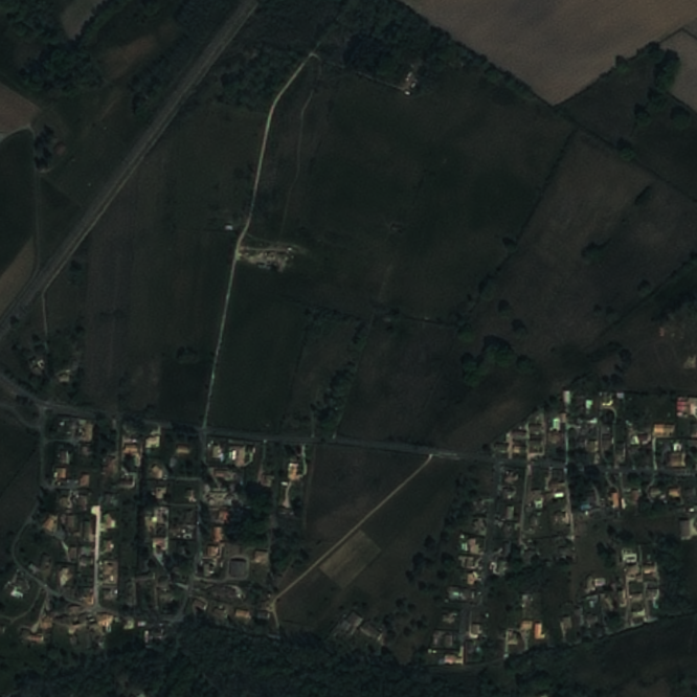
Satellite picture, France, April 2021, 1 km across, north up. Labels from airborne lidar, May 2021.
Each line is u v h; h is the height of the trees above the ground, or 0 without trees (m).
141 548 11
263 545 11
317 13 8
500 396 0
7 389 0
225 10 8
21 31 16
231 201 0
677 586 15
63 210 0
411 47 9
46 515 9
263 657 16
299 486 9
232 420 0
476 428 0
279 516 19
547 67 0
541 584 11
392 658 11
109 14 14
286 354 0
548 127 0
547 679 18
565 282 0
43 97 0
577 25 0
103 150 0
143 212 0
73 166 0
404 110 0
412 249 0
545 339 0
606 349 0
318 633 0
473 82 0
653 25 0
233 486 8
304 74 6
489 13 0
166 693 16
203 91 10
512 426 0
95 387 0
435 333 0
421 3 0
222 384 0
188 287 0
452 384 0
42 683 22
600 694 10
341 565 0
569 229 0
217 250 0
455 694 15
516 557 13
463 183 0
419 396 0
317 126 0
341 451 0
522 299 0
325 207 0
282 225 0
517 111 0
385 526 0
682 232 0
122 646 0
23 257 0
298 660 24
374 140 0
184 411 0
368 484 0
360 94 0
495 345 19
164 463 0
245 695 20
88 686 15
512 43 0
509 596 0
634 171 0
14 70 0
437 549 15
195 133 0
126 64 0
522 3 0
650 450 6
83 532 0
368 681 7
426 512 0
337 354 0
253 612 0
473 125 0
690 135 0
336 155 0
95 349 0
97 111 0
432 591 12
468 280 0
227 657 15
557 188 0
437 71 19
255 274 0
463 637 0
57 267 0
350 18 20
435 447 9
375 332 0
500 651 15
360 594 0
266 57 16
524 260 0
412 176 0
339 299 0
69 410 0
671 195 0
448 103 0
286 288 0
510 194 0
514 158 0
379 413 0
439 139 0
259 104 14
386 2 14
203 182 0
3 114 0
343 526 0
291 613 0
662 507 16
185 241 0
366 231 0
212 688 14
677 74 15
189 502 0
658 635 0
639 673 0
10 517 0
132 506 11
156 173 0
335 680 15
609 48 0
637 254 0
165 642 7
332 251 0
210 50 0
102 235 0
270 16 11
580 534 0
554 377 0
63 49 23
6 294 0
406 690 29
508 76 14
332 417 16
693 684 9
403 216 0
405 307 0
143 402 0
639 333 0
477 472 6
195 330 0
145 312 0
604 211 0
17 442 0
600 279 0
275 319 0
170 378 0
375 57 6
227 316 0
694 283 0
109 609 0
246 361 0
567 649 13
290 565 10
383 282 0
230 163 0
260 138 0
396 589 0
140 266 0
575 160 0
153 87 13
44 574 0
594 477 19
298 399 0
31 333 0
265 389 0
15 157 0
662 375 0
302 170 0
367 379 0
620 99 0
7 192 0
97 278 0
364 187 0
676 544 17
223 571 6
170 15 0
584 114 0
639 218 0
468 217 0
